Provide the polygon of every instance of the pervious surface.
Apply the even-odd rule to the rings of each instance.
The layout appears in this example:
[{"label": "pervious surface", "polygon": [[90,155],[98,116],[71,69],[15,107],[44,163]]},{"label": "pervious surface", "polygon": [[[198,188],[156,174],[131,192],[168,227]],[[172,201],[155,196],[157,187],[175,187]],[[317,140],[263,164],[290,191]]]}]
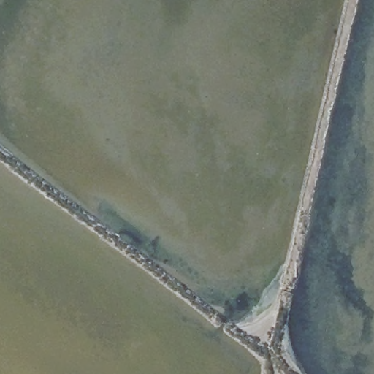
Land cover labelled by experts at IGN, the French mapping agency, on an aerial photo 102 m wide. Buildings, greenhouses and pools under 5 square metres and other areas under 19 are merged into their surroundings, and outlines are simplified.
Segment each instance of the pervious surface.
[{"label": "pervious surface", "polygon": [[295,374],[298,374],[299,367],[289,343],[288,324],[283,327],[282,355]]},{"label": "pervious surface", "polygon": [[335,105],[343,61],[348,50],[359,0],[343,0],[342,15],[337,26],[335,47],[318,110],[304,183],[299,193],[288,254],[278,275],[264,289],[259,304],[254,305],[251,314],[237,323],[248,335],[259,336],[262,342],[266,342],[269,337],[267,332],[276,326],[278,320],[280,295],[285,292],[288,283],[297,278],[299,254],[302,251],[304,237],[310,231],[314,188],[326,146],[330,115]]},{"label": "pervious surface", "polygon": [[229,335],[228,327],[224,326],[224,332],[229,340],[234,340],[260,362],[262,374],[266,374],[264,356],[254,351],[240,337]]},{"label": "pervious surface", "polygon": [[0,167],[6,168],[13,177],[22,181],[26,187],[32,188],[42,199],[50,202],[76,224],[92,232],[101,243],[111,247],[115,253],[121,254],[127,262],[139,267],[165,291],[184,302],[197,316],[202,317],[213,327],[218,327],[219,321],[218,318],[200,310],[188,298],[183,297],[180,292],[155,275],[145,266],[145,262],[143,256],[127,253],[130,245],[126,248],[118,247],[111,238],[105,238],[102,234],[96,231],[99,224],[95,224],[88,225],[83,222],[67,207],[61,206],[57,200],[48,196],[47,191],[26,180],[16,169],[0,159]]}]

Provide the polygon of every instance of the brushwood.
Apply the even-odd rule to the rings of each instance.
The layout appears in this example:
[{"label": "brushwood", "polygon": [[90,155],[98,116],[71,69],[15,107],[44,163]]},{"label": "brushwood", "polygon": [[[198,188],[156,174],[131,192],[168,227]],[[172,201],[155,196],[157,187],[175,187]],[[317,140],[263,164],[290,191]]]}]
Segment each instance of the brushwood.
[{"label": "brushwood", "polygon": [[131,240],[126,235],[111,231],[104,231],[102,234],[105,238],[111,238],[118,247],[126,248],[130,245]]},{"label": "brushwood", "polygon": [[190,292],[187,291],[186,283],[180,280],[174,282],[168,278],[168,272],[165,270],[167,263],[158,260],[153,260],[152,263],[145,262],[145,266],[155,275],[180,292],[183,297],[188,298]]},{"label": "brushwood", "polygon": [[240,337],[254,351],[264,356],[266,374],[295,374],[282,355],[283,327],[288,324],[291,292],[295,288],[297,278],[288,283],[285,292],[280,295],[278,320],[276,326],[267,332],[269,337],[266,342],[262,342],[259,336],[248,335],[237,323],[219,321],[218,327],[224,332],[224,326],[228,327],[229,335]]},{"label": "brushwood", "polygon": [[88,225],[95,224],[93,218],[98,215],[98,210],[89,212],[77,203],[60,199],[58,188],[50,186],[47,180],[39,177],[37,172],[32,171],[20,159],[6,156],[0,150],[0,159],[16,169],[26,180],[47,191],[48,196],[57,200],[61,206],[67,207],[83,222]]}]

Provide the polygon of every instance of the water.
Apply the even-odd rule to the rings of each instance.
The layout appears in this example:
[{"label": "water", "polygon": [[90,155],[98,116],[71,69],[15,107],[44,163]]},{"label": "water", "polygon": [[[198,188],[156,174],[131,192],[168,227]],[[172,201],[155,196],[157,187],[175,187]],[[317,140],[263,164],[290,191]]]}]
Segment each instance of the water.
[{"label": "water", "polygon": [[297,278],[295,288],[291,292],[288,324],[289,343],[299,367],[298,374],[374,374],[374,0],[359,0],[348,50],[343,61],[335,105],[330,115],[326,146],[314,188],[310,231],[304,237],[302,251],[299,254]]},{"label": "water", "polygon": [[304,183],[318,110],[335,47],[337,26],[342,15],[343,0],[0,0],[0,150],[6,156],[20,159],[32,171],[37,172],[39,177],[47,180],[50,186],[58,188],[60,199],[77,203],[89,212],[98,210],[98,215],[93,218],[95,224],[99,224],[96,231],[102,234],[104,231],[111,231],[126,235],[131,240],[130,245],[127,253],[143,256],[145,262],[152,263],[153,260],[158,260],[167,263],[165,270],[168,272],[168,278],[174,282],[180,280],[186,283],[187,291],[190,292],[188,298],[200,310],[218,318],[219,321],[237,323],[251,314],[254,305],[259,304],[264,289],[278,275],[288,254],[299,193]]},{"label": "water", "polygon": [[224,332],[218,327],[213,327],[202,317],[197,316],[184,302],[165,291],[139,267],[127,262],[121,254],[115,253],[111,247],[101,243],[92,232],[76,224],[50,202],[42,199],[32,188],[26,187],[22,181],[13,177],[6,168],[0,167],[0,374],[262,374],[260,362],[234,340],[229,340]]}]

